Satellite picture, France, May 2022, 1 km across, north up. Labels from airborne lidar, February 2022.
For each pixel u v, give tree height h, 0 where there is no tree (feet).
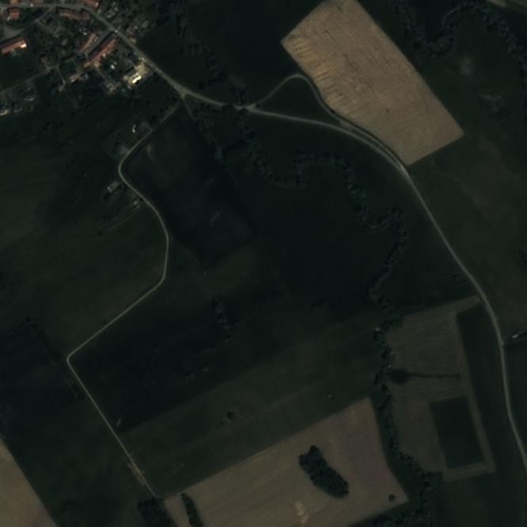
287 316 0
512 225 0
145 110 0
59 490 0
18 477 0
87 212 0
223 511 0
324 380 0
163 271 0
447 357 0
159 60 0
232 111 53
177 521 0
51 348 0
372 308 0
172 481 0
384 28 0
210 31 0
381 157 0
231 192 0
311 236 0
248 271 0
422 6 0
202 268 0
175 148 0
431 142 0
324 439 0
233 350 0
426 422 0
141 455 0
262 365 0
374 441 0
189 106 0
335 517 0
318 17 0
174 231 0
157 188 0
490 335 0
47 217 0
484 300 0
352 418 0
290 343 0
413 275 0
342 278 0
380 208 0
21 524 0
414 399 0
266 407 0
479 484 0
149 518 44
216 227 0
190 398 0
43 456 0
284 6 0
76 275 0
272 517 0
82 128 0
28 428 0
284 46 0
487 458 0
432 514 44
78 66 0
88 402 0
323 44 0
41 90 0
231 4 0
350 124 0
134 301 0
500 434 0
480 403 0
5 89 0
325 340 0
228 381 0
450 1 0
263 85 0
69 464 0
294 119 0
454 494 0
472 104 0
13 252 0
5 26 0
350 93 0
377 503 0
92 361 0
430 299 0
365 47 0
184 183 0
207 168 0
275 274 0
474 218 0
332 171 0
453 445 0
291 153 0
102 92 57
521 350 0
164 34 0
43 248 0
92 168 0
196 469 0
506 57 0
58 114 0
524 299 0
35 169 0
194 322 0
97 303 0
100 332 0
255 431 0
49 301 0
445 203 0
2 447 0
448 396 0
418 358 0
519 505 0
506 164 0
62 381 0
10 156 0
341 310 0
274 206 0
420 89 0
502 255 0
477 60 0
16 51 0
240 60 0
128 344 0
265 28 0
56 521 0
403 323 0
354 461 0
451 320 0
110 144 0
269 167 19
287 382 0
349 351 0
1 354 0
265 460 0
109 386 0
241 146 67
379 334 50
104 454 0
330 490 57
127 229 0
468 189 0
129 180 0
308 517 0
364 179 0
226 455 0
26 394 0
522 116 0
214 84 45
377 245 0
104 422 0
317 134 0
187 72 0
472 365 0
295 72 0
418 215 0
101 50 0
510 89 0
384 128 0
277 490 0
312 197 0
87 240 0
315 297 0
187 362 0
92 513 0
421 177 0
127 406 0
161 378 0
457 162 0
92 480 0
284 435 0
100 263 0
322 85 0
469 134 0
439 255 0
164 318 0
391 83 0
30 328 0
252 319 0
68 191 0
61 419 0
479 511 0
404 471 0
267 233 0
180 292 0
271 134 0
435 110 0
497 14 30
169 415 0
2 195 0
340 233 0
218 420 0
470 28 0
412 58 0
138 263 0
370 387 0
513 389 0
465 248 0
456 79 0
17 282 0
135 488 0
